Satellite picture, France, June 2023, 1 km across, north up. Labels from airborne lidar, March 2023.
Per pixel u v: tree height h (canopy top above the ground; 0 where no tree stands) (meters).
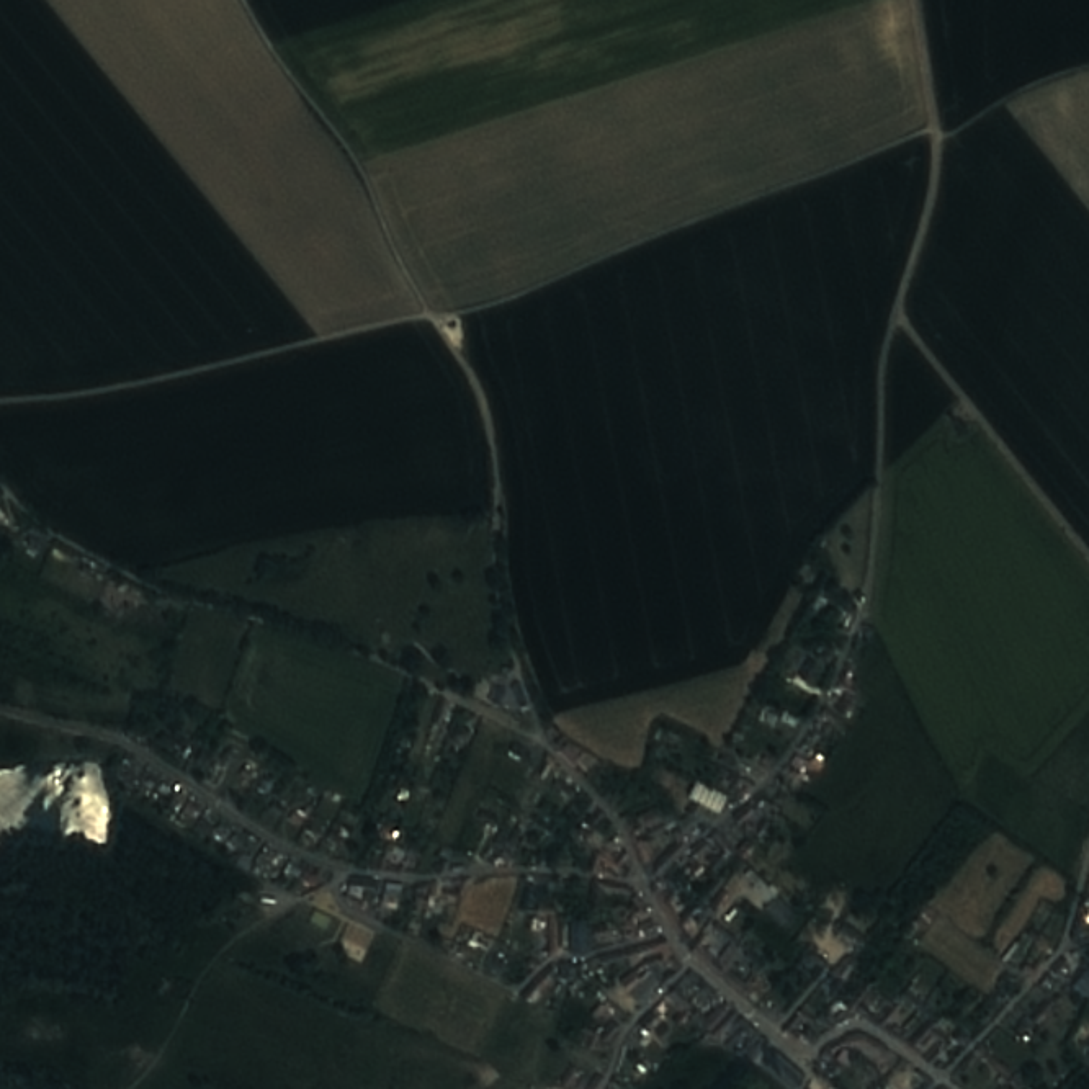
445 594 0
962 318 0
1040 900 0
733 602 0
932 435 0
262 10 0
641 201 0
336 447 0
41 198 0
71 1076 0
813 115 0
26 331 0
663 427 0
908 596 0
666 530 0
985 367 0
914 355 0
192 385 0
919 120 0
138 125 0
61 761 0
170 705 11
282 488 0
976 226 0
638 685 0
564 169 0
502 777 0
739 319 0
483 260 0
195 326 0
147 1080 0
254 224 0
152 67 0
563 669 0
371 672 0
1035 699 0
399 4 0
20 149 0
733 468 0
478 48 0
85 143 0
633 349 0
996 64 0
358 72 0
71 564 0
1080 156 0
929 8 0
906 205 0
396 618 0
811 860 0
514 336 0
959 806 9
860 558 0
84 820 0
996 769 0
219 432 0
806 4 0
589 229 0
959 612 0
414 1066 0
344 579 0
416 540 0
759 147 0
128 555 0
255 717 0
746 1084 11
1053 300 0
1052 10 0
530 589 0
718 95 0
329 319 0
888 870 0
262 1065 0
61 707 0
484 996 0
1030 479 0
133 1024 0
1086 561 0
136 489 0
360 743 0
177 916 21
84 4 0
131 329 0
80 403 0
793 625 8
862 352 0
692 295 0
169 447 0
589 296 0
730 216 0
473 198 0
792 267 0
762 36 0
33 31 0
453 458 0
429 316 0
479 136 0
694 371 0
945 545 0
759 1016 0
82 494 0
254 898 0
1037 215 0
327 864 0
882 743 0
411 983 0
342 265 0
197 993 0
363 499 0
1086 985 0
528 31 0
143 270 0
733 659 0
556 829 9
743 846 0
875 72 0
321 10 0
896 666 0
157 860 20
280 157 0
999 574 0
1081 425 0
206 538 0
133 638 0
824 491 0
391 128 0
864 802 0
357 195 0
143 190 0
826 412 0
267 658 0
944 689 0
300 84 0
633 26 0
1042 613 0
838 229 0
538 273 0
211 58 0
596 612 0
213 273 0
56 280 0
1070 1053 11
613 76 0
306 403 0
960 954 0
